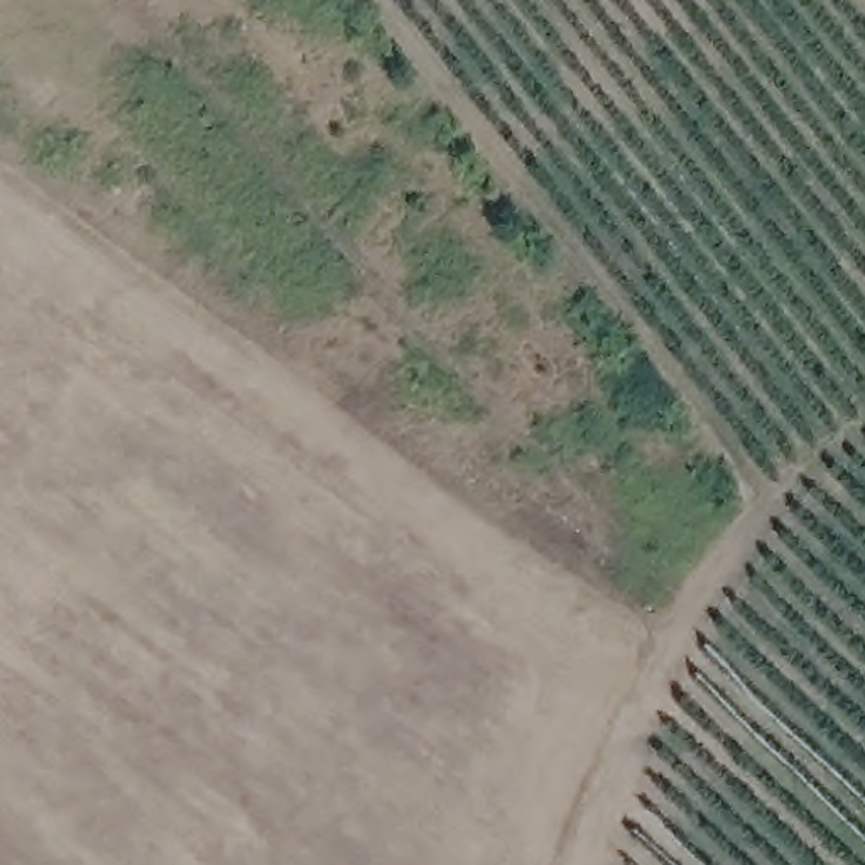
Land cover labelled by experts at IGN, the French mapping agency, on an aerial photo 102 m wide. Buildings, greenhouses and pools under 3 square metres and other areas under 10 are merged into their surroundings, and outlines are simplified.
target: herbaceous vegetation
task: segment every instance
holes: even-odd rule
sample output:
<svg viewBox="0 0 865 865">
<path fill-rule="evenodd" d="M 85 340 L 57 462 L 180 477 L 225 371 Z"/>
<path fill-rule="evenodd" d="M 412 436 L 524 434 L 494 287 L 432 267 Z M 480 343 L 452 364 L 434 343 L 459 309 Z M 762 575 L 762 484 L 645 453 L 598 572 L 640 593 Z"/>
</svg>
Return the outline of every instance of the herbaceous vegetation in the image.
<svg viewBox="0 0 865 865">
<path fill-rule="evenodd" d="M 152 196 L 145 182 L 112 189 L 95 182 L 88 189 L 68 179 L 61 182 L 61 176 L 47 172 L 37 179 L 51 193 L 51 199 L 57 199 L 57 206 L 74 213 L 61 226 L 71 230 L 81 243 L 95 250 L 105 240 L 125 247 L 139 264 L 159 270 L 172 287 L 189 294 L 213 321 L 233 328 L 237 335 L 264 348 L 270 358 L 284 362 L 284 368 L 301 389 L 314 389 L 324 402 L 338 405 L 351 422 L 358 422 L 368 436 L 399 453 L 433 487 L 460 500 L 483 524 L 503 530 L 514 541 L 530 544 L 544 561 L 561 564 L 568 574 L 574 574 L 581 585 L 571 612 L 585 615 L 598 639 L 622 642 L 635 652 L 608 662 L 608 686 L 601 699 L 605 723 L 598 730 L 591 760 L 574 784 L 547 865 L 740 865 L 683 808 L 676 808 L 666 797 L 669 787 L 679 787 L 696 808 L 703 808 L 706 797 L 672 764 L 659 757 L 662 737 L 652 737 L 659 713 L 672 716 L 686 733 L 693 733 L 737 781 L 743 781 L 760 797 L 760 804 L 767 804 L 808 848 L 814 848 L 814 855 L 824 865 L 848 865 L 777 794 L 764 787 L 764 781 L 740 767 L 716 737 L 710 737 L 679 706 L 679 699 L 693 696 L 730 737 L 743 743 L 747 753 L 753 753 L 821 821 L 835 828 L 845 818 L 828 797 L 804 784 L 801 770 L 787 767 L 787 760 L 764 737 L 747 730 L 753 720 L 760 720 L 811 767 L 811 774 L 821 774 L 828 764 L 740 683 L 743 676 L 753 676 L 753 683 L 764 686 L 777 706 L 791 713 L 797 726 L 814 733 L 818 723 L 804 716 L 757 666 L 747 662 L 743 652 L 737 652 L 720 635 L 716 622 L 726 618 L 750 645 L 757 645 L 760 656 L 767 656 L 818 710 L 824 710 L 865 750 L 865 730 L 841 706 L 835 706 L 791 659 L 784 659 L 777 645 L 767 642 L 730 601 L 733 595 L 740 595 L 747 605 L 753 605 L 770 625 L 777 625 L 787 635 L 794 649 L 801 649 L 818 666 L 821 676 L 828 676 L 848 699 L 855 699 L 865 710 L 865 693 L 855 689 L 808 639 L 797 635 L 797 628 L 781 615 L 781 608 L 774 608 L 757 588 L 750 588 L 750 578 L 767 578 L 774 591 L 801 612 L 801 618 L 841 659 L 848 659 L 865 676 L 865 659 L 828 622 L 814 615 L 814 608 L 804 598 L 791 591 L 787 581 L 781 581 L 781 574 L 764 558 L 770 551 L 781 554 L 781 561 L 831 612 L 841 615 L 845 625 L 851 625 L 865 639 L 865 618 L 781 541 L 784 527 L 791 534 L 801 534 L 818 514 L 801 507 L 801 500 L 791 493 L 784 497 L 777 483 L 760 470 L 750 483 L 737 487 L 737 500 L 733 520 L 693 564 L 672 605 L 625 605 L 612 591 L 612 581 L 618 581 L 618 561 L 612 558 L 608 544 L 615 470 L 605 470 L 595 453 L 568 460 L 561 473 L 544 476 L 510 460 L 510 449 L 520 446 L 530 433 L 530 416 L 568 409 L 574 402 L 595 402 L 605 392 L 591 372 L 585 345 L 574 345 L 571 328 L 564 324 L 564 297 L 578 287 L 595 287 L 605 307 L 635 331 L 649 324 L 642 311 L 628 301 L 628 294 L 612 280 L 612 274 L 598 264 L 598 257 L 585 247 L 581 233 L 534 182 L 534 152 L 524 152 L 517 159 L 510 152 L 497 128 L 466 98 L 463 84 L 449 74 L 443 57 L 405 20 L 395 0 L 372 0 L 378 7 L 385 34 L 412 64 L 412 81 L 392 84 L 382 64 L 362 47 L 362 41 L 345 37 L 304 37 L 301 20 L 280 10 L 253 14 L 247 0 L 0 0 L 0 81 L 17 84 L 20 98 L 30 98 L 47 125 L 81 128 L 108 149 L 108 142 L 122 128 L 112 122 L 108 112 L 98 108 L 98 78 L 101 64 L 112 61 L 115 44 L 145 47 L 149 41 L 162 41 L 179 17 L 189 17 L 196 24 L 233 17 L 240 24 L 240 34 L 247 37 L 250 57 L 264 61 L 277 84 L 294 84 L 294 95 L 311 112 L 311 125 L 321 135 L 321 145 L 328 145 L 338 155 L 351 155 L 372 142 L 385 145 L 395 162 L 409 162 L 419 176 L 429 179 L 429 186 L 422 189 L 426 213 L 419 220 L 419 233 L 453 230 L 463 237 L 466 250 L 483 260 L 463 301 L 409 304 L 402 287 L 405 260 L 392 247 L 392 233 L 402 223 L 405 199 L 385 193 L 375 199 L 368 220 L 358 230 L 358 260 L 351 264 L 358 277 L 358 297 L 335 304 L 335 314 L 324 321 L 284 324 L 277 318 L 277 307 L 264 311 L 257 301 L 230 301 L 220 280 L 203 277 L 199 257 L 182 264 L 179 257 L 166 253 L 179 243 L 179 237 L 172 230 L 149 223 Z M 514 206 L 520 213 L 530 213 L 551 237 L 554 250 L 547 270 L 537 270 L 530 260 L 520 260 L 507 243 L 493 237 L 483 216 L 480 189 L 463 182 L 463 169 L 453 159 L 436 149 L 422 149 L 392 125 L 382 125 L 382 112 L 389 105 L 416 105 L 419 112 L 426 105 L 449 108 L 460 122 L 460 132 L 473 142 L 473 149 L 490 166 L 493 182 L 507 189 Z M 473 399 L 487 409 L 487 416 L 476 422 L 453 422 L 443 409 L 392 402 L 385 378 L 378 378 L 378 372 L 389 362 L 402 358 L 399 338 L 412 338 L 416 348 L 433 351 L 446 372 L 470 385 Z"/>
<path fill-rule="evenodd" d="M 635 34 L 632 20 L 612 0 L 598 0 L 639 54 L 645 54 L 649 44 Z"/>
<path fill-rule="evenodd" d="M 639 449 L 649 466 L 666 463 L 672 473 L 686 470 L 686 463 L 693 463 L 703 453 L 693 436 L 672 446 L 662 433 L 635 429 L 632 449 Z"/>
<path fill-rule="evenodd" d="M 591 17 L 591 10 L 581 0 L 564 0 L 578 14 L 585 30 L 601 44 L 601 51 L 625 71 L 625 78 L 635 84 L 635 91 L 656 115 L 666 108 L 666 101 L 642 78 L 642 71 L 615 47 L 615 41 L 605 34 L 605 27 Z"/>
<path fill-rule="evenodd" d="M 615 122 L 605 115 L 598 98 L 564 64 L 558 68 L 558 78 L 574 91 L 574 98 L 595 115 L 595 122 L 605 132 L 615 132 Z"/>
<path fill-rule="evenodd" d="M 574 37 L 568 41 L 568 47 L 605 88 L 605 95 L 625 115 L 635 112 L 628 95 L 615 84 L 615 78 Z"/>
</svg>

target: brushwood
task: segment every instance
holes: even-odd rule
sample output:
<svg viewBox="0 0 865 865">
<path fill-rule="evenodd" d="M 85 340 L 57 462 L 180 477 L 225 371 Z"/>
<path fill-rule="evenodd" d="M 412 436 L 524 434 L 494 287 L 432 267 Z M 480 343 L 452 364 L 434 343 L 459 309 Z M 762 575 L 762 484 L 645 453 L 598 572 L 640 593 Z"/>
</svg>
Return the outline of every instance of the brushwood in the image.
<svg viewBox="0 0 865 865">
<path fill-rule="evenodd" d="M 149 223 L 172 230 L 179 237 L 179 243 L 166 253 L 179 257 L 182 264 L 199 257 L 203 277 L 220 280 L 230 301 L 257 301 L 264 311 L 277 307 L 277 318 L 284 324 L 324 321 L 335 314 L 335 304 L 358 297 L 358 277 L 351 264 L 358 260 L 358 230 L 368 220 L 375 199 L 385 193 L 405 199 L 402 223 L 392 233 L 392 247 L 405 260 L 402 287 L 409 304 L 463 301 L 483 260 L 466 250 L 463 237 L 453 230 L 419 233 L 419 220 L 426 213 L 422 189 L 429 186 L 429 179 L 419 176 L 409 162 L 395 162 L 385 145 L 372 142 L 351 155 L 338 155 L 328 145 L 321 145 L 321 135 L 311 125 L 311 112 L 294 95 L 294 84 L 277 84 L 264 61 L 250 57 L 247 37 L 240 34 L 240 24 L 233 17 L 196 24 L 189 17 L 179 17 L 162 41 L 149 41 L 145 47 L 115 44 L 112 61 L 101 64 L 98 78 L 98 108 L 108 112 L 112 122 L 122 128 L 108 142 L 108 149 L 81 128 L 47 125 L 30 98 L 20 98 L 17 84 L 0 81 L 0 162 L 27 166 L 37 179 L 47 172 L 61 176 L 61 182 L 68 179 L 88 189 L 95 182 L 112 189 L 145 182 L 152 196 Z"/>
<path fill-rule="evenodd" d="M 443 409 L 453 422 L 476 422 L 487 416 L 487 409 L 473 399 L 470 385 L 446 372 L 433 351 L 416 348 L 412 338 L 399 338 L 402 358 L 389 362 L 378 372 L 378 378 L 385 378 L 392 402 Z"/>
<path fill-rule="evenodd" d="M 304 37 L 345 37 L 341 14 L 328 0 L 247 0 L 253 14 L 280 10 L 301 20 Z"/>
<path fill-rule="evenodd" d="M 618 412 L 612 409 L 605 392 L 595 402 L 574 402 L 568 409 L 530 416 L 530 433 L 520 446 L 510 449 L 510 460 L 544 476 L 561 473 L 568 460 L 595 453 L 605 470 L 615 470 L 608 544 L 612 558 L 618 561 L 618 581 L 612 581 L 612 591 L 625 605 L 672 605 L 693 564 L 733 520 L 737 500 L 726 507 L 703 503 L 696 493 L 696 473 L 686 470 L 672 473 L 666 463 L 649 466 L 639 449 L 632 449 L 635 429 L 618 426 Z"/>
<path fill-rule="evenodd" d="M 419 112 L 416 105 L 389 105 L 382 112 L 382 125 L 392 125 L 422 149 L 436 149 L 453 159 L 473 149 L 473 142 L 460 132 L 460 122 L 449 108 L 426 105 Z"/>
</svg>

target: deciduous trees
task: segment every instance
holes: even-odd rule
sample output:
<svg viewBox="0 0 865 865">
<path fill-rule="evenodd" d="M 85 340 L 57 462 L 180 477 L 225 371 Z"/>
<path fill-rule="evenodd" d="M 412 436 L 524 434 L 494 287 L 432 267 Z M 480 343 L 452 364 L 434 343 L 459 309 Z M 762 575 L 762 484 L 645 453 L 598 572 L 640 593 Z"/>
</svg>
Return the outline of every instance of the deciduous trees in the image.
<svg viewBox="0 0 865 865">
<path fill-rule="evenodd" d="M 696 493 L 703 503 L 726 507 L 737 500 L 737 487 L 723 460 L 703 453 L 693 463 L 686 463 L 686 470 L 696 473 Z"/>
<path fill-rule="evenodd" d="M 605 392 L 612 409 L 618 412 L 618 426 L 635 429 L 662 433 L 672 446 L 693 436 L 683 402 L 659 378 L 635 331 L 605 307 L 595 287 L 578 287 L 564 297 L 564 324 L 571 328 L 574 345 L 585 345 L 591 372 Z"/>
<path fill-rule="evenodd" d="M 740 683 L 828 764 L 821 774 L 811 774 L 811 767 L 760 720 L 753 720 L 747 730 L 764 737 L 787 760 L 787 767 L 801 770 L 804 784 L 828 797 L 845 818 L 835 828 L 821 821 L 753 753 L 747 753 L 743 743 L 730 737 L 693 696 L 679 699 L 679 706 L 710 737 L 716 737 L 740 767 L 764 781 L 764 787 L 777 794 L 848 865 L 865 865 L 865 750 L 824 710 L 818 710 L 767 656 L 760 656 L 757 645 L 750 645 L 726 618 L 716 622 L 720 635 L 737 652 L 743 652 L 747 662 L 757 666 L 804 716 L 818 723 L 814 733 L 797 726 L 791 713 L 777 706 L 764 686 L 753 683 L 753 676 L 743 676 Z"/>
<path fill-rule="evenodd" d="M 845 625 L 841 615 L 831 612 L 781 561 L 781 554 L 770 551 L 764 558 L 781 574 L 781 581 L 787 581 L 791 591 L 804 598 L 814 608 L 814 615 L 828 622 L 865 659 L 865 639 L 851 625 Z"/>
<path fill-rule="evenodd" d="M 808 848 L 767 804 L 760 804 L 760 797 L 743 781 L 737 781 L 693 733 L 686 733 L 672 716 L 659 713 L 652 737 L 662 737 L 659 757 L 672 764 L 706 797 L 703 808 L 696 808 L 679 787 L 669 787 L 666 797 L 676 808 L 683 808 L 740 865 L 824 865 L 814 855 L 814 848 Z"/>
<path fill-rule="evenodd" d="M 412 64 L 385 34 L 378 7 L 372 0 L 328 0 L 341 14 L 345 37 L 362 41 L 362 47 L 382 64 L 392 84 L 412 81 Z"/>
<path fill-rule="evenodd" d="M 801 507 L 818 514 L 801 534 L 791 534 L 784 527 L 781 541 L 865 618 L 865 0 L 612 0 L 632 20 L 635 34 L 649 44 L 645 54 L 639 54 L 598 0 L 581 0 L 591 10 L 591 17 L 605 27 L 605 34 L 615 41 L 615 47 L 642 71 L 642 78 L 666 101 L 666 108 L 656 115 L 635 91 L 635 84 L 625 78 L 625 71 L 601 51 L 601 44 L 585 30 L 578 14 L 564 0 L 395 0 L 405 20 L 443 57 L 449 74 L 463 84 L 466 98 L 497 128 L 510 152 L 517 159 L 524 152 L 534 152 L 534 182 L 581 233 L 585 247 L 598 257 L 598 264 L 612 274 L 612 280 L 628 294 L 628 301 L 642 311 L 649 324 L 662 338 L 669 355 L 683 365 L 683 372 L 693 378 L 693 385 L 713 402 L 720 419 L 740 436 L 743 449 L 753 456 L 760 470 L 777 483 L 784 497 L 791 493 L 801 500 Z M 605 95 L 605 88 L 568 47 L 568 41 L 574 37 L 615 78 L 615 84 L 628 95 L 635 112 L 625 115 Z M 595 115 L 574 98 L 574 91 L 558 78 L 558 68 L 564 64 L 598 98 L 605 115 L 615 122 L 615 132 L 605 132 L 595 122 Z"/>
<path fill-rule="evenodd" d="M 490 166 L 473 149 L 453 159 L 463 169 L 463 182 L 480 189 L 483 216 L 493 237 L 507 243 L 520 260 L 530 260 L 537 270 L 547 270 L 554 250 L 551 237 L 530 213 L 520 213 L 514 206 L 507 189 L 493 182 Z"/>
<path fill-rule="evenodd" d="M 777 625 L 770 625 L 753 605 L 747 605 L 740 595 L 733 595 L 730 601 L 767 642 L 777 645 L 784 659 L 791 659 L 835 706 L 841 706 L 865 730 L 865 710 L 855 699 L 848 699 L 828 676 L 821 676 L 818 666 L 801 649 L 794 649 L 787 635 Z"/>
<path fill-rule="evenodd" d="M 801 618 L 801 612 L 774 591 L 767 578 L 750 578 L 750 588 L 757 588 L 774 608 L 781 608 L 781 615 L 797 628 L 797 635 L 808 639 L 855 689 L 865 693 L 865 676 L 848 659 L 841 659 Z"/>
</svg>

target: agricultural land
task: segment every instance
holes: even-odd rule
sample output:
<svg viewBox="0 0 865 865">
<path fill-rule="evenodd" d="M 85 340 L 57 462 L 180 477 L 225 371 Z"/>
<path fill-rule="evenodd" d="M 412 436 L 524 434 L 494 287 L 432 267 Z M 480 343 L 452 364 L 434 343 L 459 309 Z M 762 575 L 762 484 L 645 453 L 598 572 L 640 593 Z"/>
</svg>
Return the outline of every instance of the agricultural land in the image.
<svg viewBox="0 0 865 865">
<path fill-rule="evenodd" d="M 713 402 L 693 385 L 693 378 L 683 372 L 683 365 L 669 355 L 662 338 L 649 324 L 635 331 L 659 378 L 683 402 L 693 436 L 703 453 L 723 460 L 737 487 L 750 483 L 760 470 L 753 456 L 743 449 L 740 436 L 720 419 Z"/>
<path fill-rule="evenodd" d="M 0 865 L 547 865 L 574 784 L 591 760 L 598 730 L 605 723 L 601 699 L 608 686 L 608 662 L 635 652 L 622 642 L 598 639 L 585 615 L 571 612 L 581 585 L 574 574 L 568 574 L 561 564 L 544 561 L 530 544 L 514 541 L 503 530 L 483 524 L 460 500 L 433 487 L 399 453 L 368 436 L 358 422 L 351 422 L 338 405 L 324 402 L 314 389 L 301 389 L 284 368 L 284 362 L 270 358 L 264 348 L 237 335 L 233 328 L 213 321 L 189 294 L 172 287 L 159 270 L 139 264 L 125 247 L 105 240 L 95 250 L 81 243 L 71 230 L 61 226 L 74 213 L 57 206 L 57 199 L 51 199 L 51 193 L 37 179 L 27 166 L 0 162 Z"/>
</svg>

